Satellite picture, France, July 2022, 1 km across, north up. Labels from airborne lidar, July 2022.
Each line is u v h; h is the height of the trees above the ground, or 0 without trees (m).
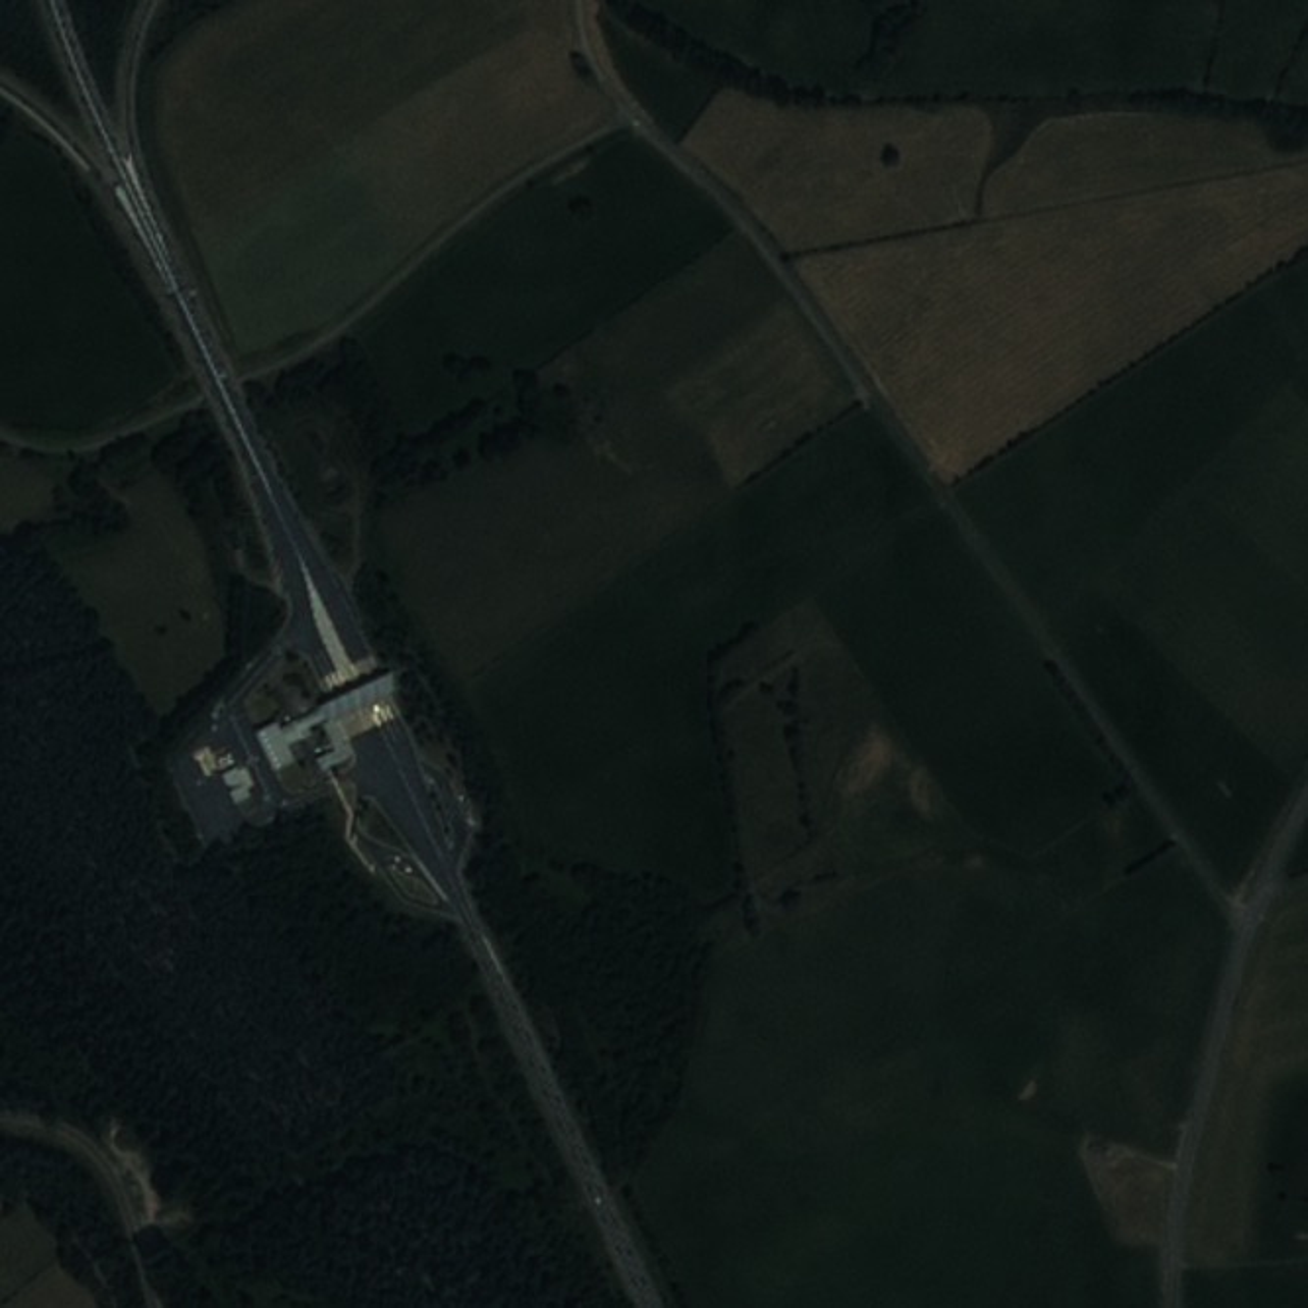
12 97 0
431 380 0
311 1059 22
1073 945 0
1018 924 0
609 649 0
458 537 0
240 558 0
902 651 0
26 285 0
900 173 0
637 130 0
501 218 0
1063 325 0
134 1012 23
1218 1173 0
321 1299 16
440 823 0
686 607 0
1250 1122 0
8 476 0
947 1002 0
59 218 0
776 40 0
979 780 0
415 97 0
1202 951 0
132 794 23
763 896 0
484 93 0
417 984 8
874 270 0
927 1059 0
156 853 22
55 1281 0
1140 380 0
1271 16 0
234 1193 13
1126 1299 0
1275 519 0
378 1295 19
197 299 0
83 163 0
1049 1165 0
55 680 24
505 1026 0
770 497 0
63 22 0
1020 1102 0
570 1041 13
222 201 0
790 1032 0
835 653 0
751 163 0
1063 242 0
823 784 0
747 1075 0
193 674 0
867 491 0
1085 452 0
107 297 0
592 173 0
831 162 0
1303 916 0
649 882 9
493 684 0
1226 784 0
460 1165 14
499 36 0
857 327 0
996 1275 0
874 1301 0
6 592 27
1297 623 0
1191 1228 0
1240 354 0
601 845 0
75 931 23
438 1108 8
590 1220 0
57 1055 18
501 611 0
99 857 27
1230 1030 0
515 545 0
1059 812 0
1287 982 0
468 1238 17
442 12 0
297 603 0
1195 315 0
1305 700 0
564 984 6
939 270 0
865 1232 0
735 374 0
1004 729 0
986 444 0
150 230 0
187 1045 22
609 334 0
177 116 0
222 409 0
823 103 16
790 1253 0
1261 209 0
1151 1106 0
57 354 0
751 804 0
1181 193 0
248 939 23
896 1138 0
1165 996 0
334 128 0
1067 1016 0
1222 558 0
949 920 0
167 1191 29
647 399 0
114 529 9
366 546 0
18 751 24
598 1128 11
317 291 0
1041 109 0
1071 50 0
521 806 0
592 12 0
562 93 0
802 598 0
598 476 0
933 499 0
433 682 7
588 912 8
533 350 0
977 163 0
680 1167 0
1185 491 0
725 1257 0
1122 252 0
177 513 0
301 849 6
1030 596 0
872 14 8
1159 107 11
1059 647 0
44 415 0
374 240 0
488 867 9
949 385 0
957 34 0
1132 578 0
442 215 0
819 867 0
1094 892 0
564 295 0
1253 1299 0
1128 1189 0
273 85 0
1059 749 0
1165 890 0
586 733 0
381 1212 24
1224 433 0
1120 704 0
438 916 0
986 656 0
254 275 0
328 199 0
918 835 0
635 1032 10
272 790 0
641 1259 0
